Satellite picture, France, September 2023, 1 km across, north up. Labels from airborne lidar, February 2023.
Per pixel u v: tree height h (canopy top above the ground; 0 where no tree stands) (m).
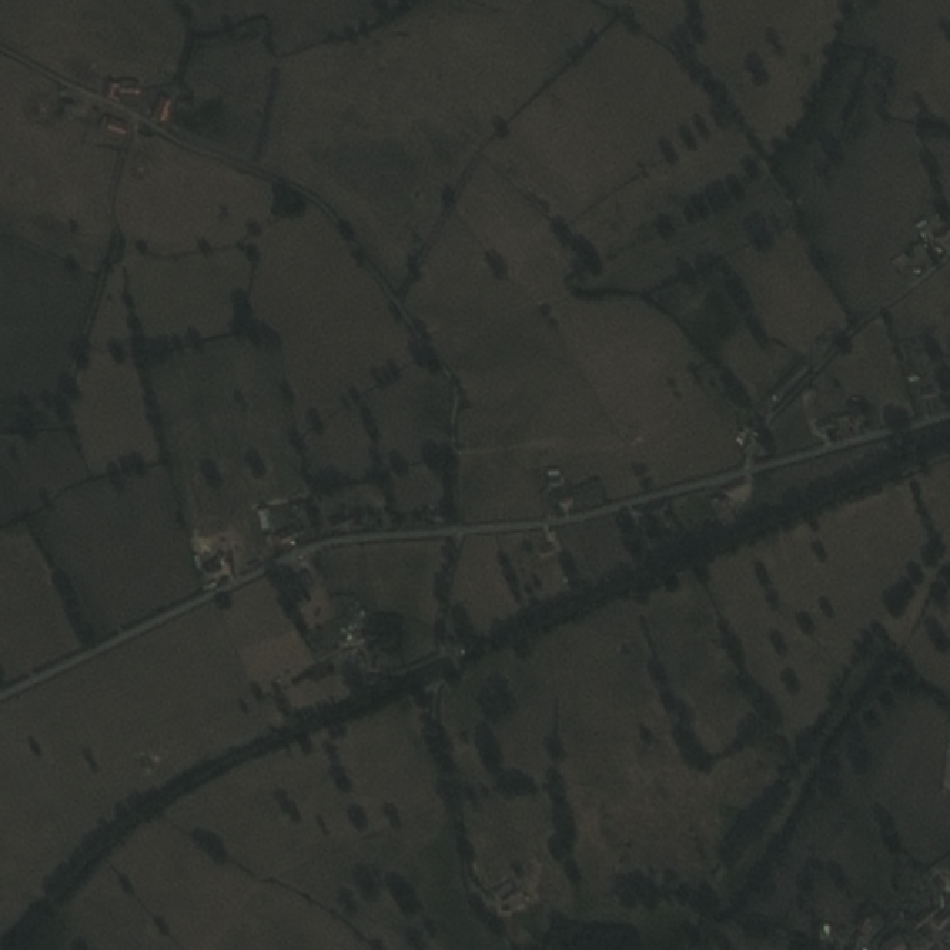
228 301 0
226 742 0
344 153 0
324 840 0
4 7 0
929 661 0
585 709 0
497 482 0
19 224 0
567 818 18
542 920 0
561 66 0
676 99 0
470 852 16
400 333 0
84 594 0
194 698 0
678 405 0
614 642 0
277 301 0
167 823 0
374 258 0
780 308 0
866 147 0
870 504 0
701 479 0
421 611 0
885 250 0
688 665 0
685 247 0
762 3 0
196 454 0
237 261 0
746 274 0
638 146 0
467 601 0
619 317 0
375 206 0
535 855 0
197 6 0
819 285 0
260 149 0
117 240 0
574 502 0
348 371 0
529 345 0
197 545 0
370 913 0
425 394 0
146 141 0
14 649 0
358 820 20
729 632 10
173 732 0
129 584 0
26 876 0
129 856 0
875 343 0
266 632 0
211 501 0
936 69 0
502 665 0
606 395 0
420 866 0
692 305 0
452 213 0
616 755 0
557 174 0
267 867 0
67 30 0
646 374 0
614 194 0
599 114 0
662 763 0
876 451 0
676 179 0
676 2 0
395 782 0
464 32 0
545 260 0
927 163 14
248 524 0
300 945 0
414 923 0
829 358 0
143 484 0
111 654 0
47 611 0
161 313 0
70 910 0
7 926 0
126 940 0
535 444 0
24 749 0
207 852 13
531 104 0
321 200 0
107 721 0
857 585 0
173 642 0
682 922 0
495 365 0
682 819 0
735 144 0
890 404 0
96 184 0
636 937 16
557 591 0
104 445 0
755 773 0
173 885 0
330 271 0
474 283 0
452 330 0
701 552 12
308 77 0
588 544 0
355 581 0
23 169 0
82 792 0
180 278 0
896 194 0
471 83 0
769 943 0
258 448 0
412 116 0
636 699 0
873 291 0
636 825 0
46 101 0
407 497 0
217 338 0
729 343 0
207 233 0
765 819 16
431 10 0
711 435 0
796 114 0
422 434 0
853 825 0
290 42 0
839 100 0
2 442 0
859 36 0
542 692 0
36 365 0
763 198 0
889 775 0
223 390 0
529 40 0
